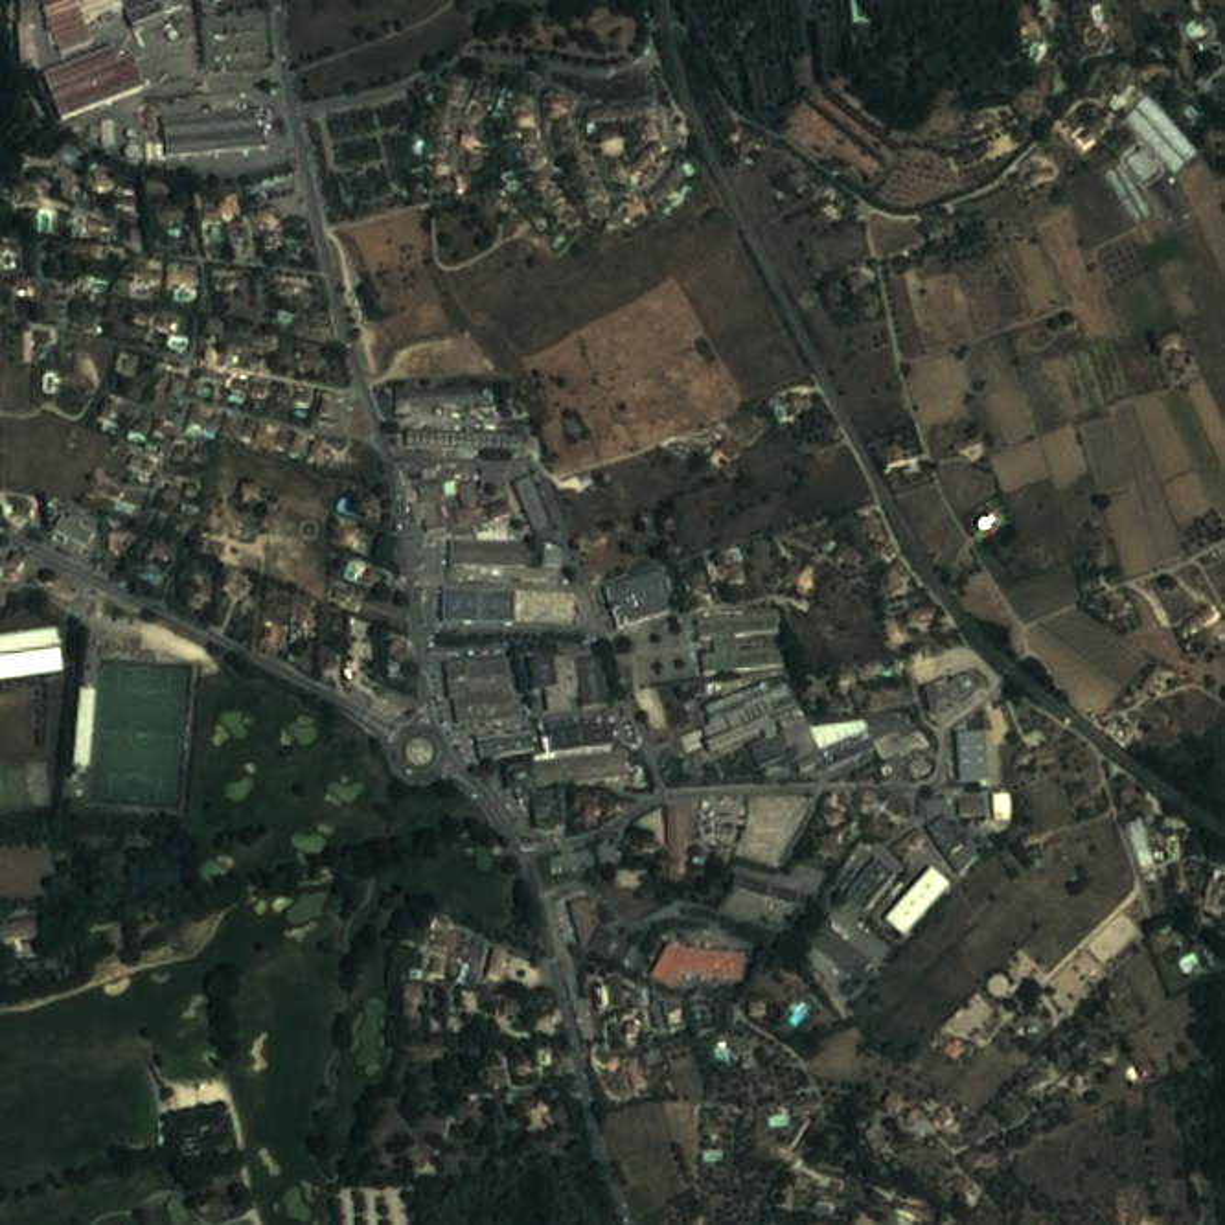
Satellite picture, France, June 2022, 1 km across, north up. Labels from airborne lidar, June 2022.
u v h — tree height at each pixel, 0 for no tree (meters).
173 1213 0
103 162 14
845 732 0
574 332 0
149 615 10
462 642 7
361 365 0
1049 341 0
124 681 0
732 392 0
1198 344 0
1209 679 8
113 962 0
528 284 0
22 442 0
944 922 0
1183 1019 0
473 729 0
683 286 0
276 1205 0
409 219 0
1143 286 0
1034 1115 7
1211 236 0
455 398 0
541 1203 20
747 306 0
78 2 0
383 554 14
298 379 7
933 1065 0
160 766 0
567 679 0
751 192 0
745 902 0
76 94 0
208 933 0
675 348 0
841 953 0
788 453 0
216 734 0
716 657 0
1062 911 0
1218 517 5
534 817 11
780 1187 10
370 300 13
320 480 0
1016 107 6
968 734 0
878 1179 9
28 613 14
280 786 0
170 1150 16
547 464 7
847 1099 6
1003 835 12
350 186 6
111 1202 0
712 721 0
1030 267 0
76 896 14
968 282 0
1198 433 0
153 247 10
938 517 0
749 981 10
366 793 0
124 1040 0
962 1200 10
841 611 0
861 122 8
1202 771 7
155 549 0
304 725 0
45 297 0
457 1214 18
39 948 17
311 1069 0
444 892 0
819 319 0
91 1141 0
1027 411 0
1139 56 10
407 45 0
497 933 12
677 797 0
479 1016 9
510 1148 12
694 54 12
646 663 0
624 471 0
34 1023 0
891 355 0
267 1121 0
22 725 0
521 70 7
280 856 0
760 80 7
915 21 16
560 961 0
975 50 14
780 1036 11
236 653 9
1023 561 0
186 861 19
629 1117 0
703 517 0
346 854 14
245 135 0
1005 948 0
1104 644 0
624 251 0
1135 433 0
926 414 0
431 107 7
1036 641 0
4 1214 0
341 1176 6
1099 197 0
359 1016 0
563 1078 8
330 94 8
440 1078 12
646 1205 0
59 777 6
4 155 12
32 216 8
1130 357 0
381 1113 6
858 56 19
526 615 0
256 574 8
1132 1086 6
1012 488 0
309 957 0
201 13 10
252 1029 0
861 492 0
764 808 0
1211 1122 11
